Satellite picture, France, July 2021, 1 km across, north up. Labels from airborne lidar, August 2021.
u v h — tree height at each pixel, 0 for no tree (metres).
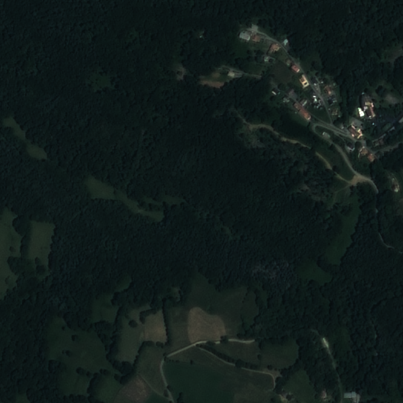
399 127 26
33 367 36
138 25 26
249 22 17
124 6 23
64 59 26
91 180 0
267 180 22
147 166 28
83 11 24
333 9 25
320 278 0
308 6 25
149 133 26
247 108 28
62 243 31
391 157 24
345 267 26
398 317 20
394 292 29
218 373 0
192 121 32
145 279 22
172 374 0
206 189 23
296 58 10
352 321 8
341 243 0
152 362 0
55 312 26
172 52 25
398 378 25
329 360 24
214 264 26
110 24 26
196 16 19
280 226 19
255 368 9
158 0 21
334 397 12
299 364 20
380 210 23
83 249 27
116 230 23
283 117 14
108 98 28
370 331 25
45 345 28
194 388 0
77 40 21
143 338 0
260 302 20
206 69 25
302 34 31
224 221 28
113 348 19
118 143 29
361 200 18
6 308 30
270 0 21
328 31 31
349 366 25
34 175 27
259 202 12
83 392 0
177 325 0
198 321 0
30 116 23
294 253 24
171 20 24
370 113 0
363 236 23
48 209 26
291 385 0
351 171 0
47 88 18
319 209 30
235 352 0
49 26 31
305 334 14
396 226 27
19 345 29
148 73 26
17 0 19
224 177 30
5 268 0
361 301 28
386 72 26
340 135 6
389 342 24
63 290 26
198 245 24
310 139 7
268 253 26
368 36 28
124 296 24
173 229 24
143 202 9
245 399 0
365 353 24
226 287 21
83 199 26
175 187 25
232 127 29
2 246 0
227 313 0
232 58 13
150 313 13
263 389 0
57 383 25
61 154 29
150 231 21
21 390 28
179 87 12
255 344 0
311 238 22
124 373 21
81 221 26
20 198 28
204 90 28
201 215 12
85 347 0
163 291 27
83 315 30
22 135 0
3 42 24
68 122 29
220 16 21
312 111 0
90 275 28
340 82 31
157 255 23
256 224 22
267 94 17
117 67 27
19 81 26
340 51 27
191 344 0
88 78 18
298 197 33
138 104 22
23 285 27
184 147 20
